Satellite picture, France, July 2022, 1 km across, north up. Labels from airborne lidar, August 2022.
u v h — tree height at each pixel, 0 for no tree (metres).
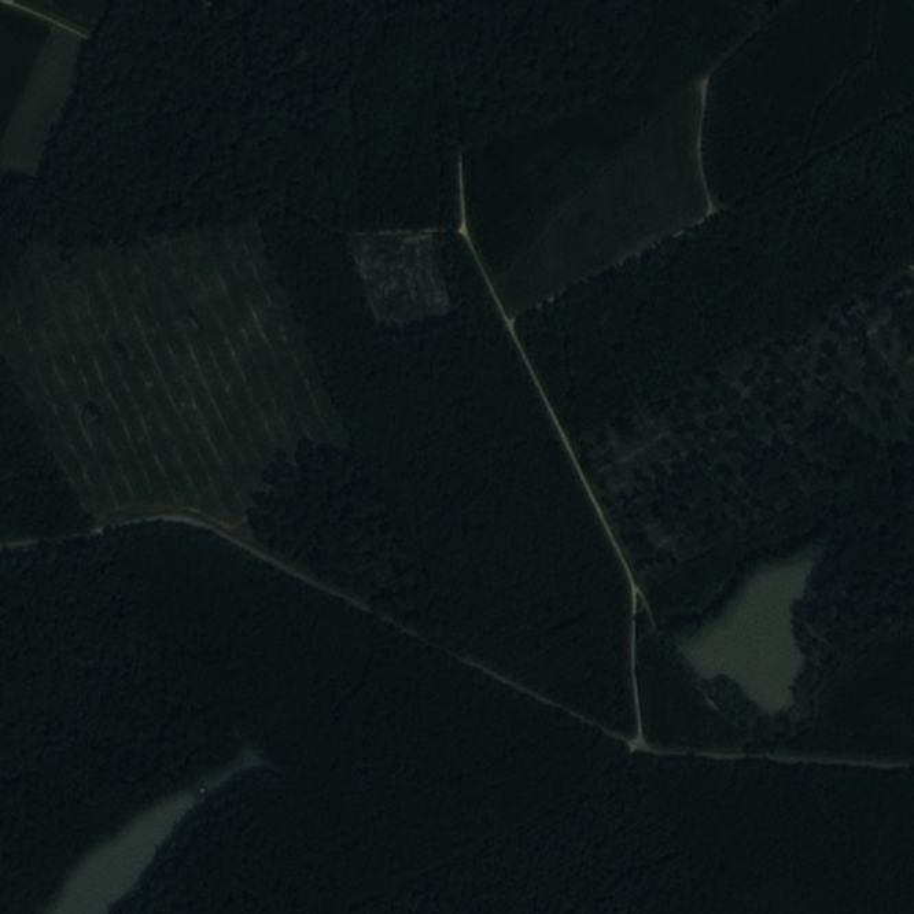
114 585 21
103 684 22
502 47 19
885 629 28
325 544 25
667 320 16
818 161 13
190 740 29
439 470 19
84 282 0
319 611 16
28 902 19
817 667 20
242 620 20
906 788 14
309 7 18
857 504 27
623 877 17
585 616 17
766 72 6
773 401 0
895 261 13
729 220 15
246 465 0
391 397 17
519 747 19
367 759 18
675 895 16
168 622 16
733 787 13
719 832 14
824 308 10
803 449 0
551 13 28
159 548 15
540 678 17
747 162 8
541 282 0
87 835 22
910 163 15
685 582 6
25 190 23
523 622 16
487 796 15
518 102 24
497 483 19
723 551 6
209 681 20
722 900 16
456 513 19
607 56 19
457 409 19
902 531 30
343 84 25
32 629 20
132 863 0
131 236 23
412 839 15
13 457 20
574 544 17
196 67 23
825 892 12
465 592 17
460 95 23
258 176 27
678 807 15
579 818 15
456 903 19
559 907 16
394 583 21
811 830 14
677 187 0
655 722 7
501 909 17
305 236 17
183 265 0
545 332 15
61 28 0
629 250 0
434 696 16
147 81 22
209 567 16
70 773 24
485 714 15
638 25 19
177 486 0
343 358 17
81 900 0
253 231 0
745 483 0
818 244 13
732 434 0
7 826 28
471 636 17
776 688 0
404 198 16
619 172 0
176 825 0
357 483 24
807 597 11
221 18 8
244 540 0
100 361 0
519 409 17
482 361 21
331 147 29
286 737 20
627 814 14
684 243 15
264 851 28
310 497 26
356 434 19
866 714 5
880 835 14
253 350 0
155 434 0
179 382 0
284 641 21
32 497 24
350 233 11
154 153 26
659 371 16
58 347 0
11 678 21
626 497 0
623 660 15
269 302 0
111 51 24
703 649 0
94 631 22
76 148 24
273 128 23
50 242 19
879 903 15
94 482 0
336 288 17
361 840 21
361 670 15
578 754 14
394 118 11
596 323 12
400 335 21
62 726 23
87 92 20
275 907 31
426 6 17
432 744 16
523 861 17
